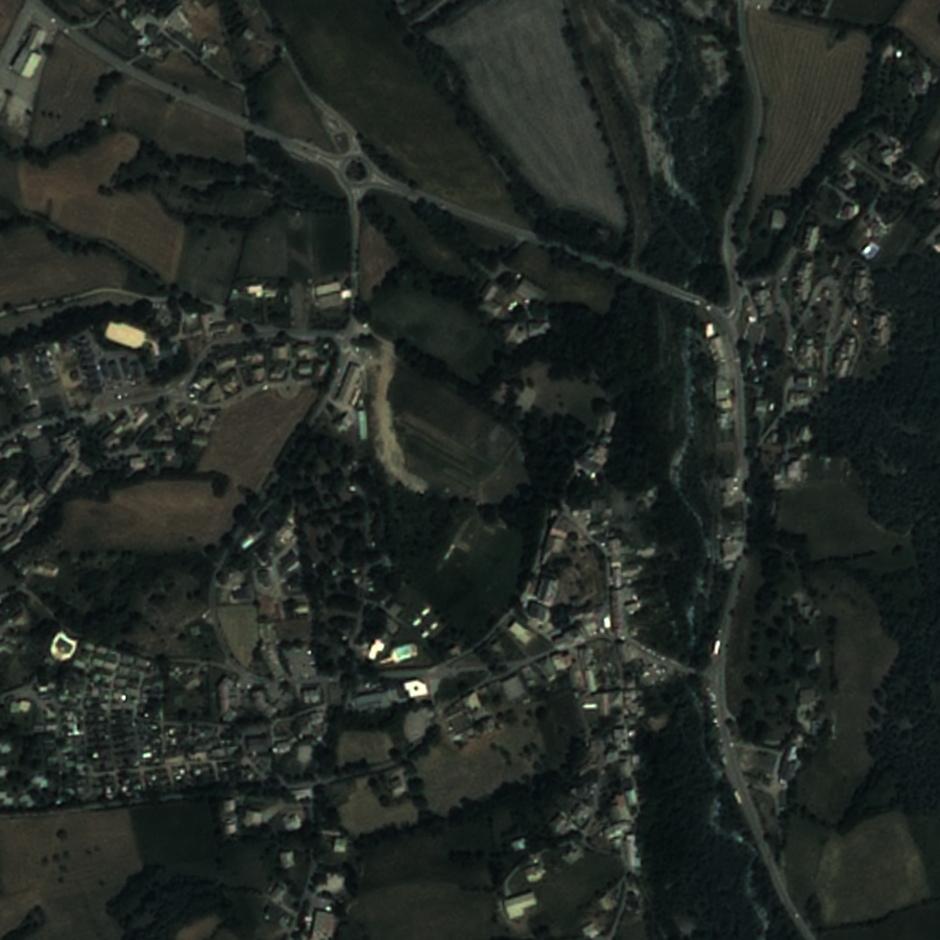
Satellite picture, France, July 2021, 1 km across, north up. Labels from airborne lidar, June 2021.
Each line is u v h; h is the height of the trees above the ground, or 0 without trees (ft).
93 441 28
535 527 48
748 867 32
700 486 29
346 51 0
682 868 62
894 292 24
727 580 33
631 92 0
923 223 30
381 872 0
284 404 0
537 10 0
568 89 0
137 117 0
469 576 0
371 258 0
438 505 32
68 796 33
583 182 0
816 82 0
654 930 30
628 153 0
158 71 0
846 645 0
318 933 0
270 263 0
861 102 19
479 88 0
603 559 37
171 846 0
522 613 53
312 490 44
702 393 55
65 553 32
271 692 0
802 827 0
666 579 31
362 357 0
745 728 28
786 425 23
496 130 0
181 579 0
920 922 0
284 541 0
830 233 38
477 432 0
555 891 0
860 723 0
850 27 24
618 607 0
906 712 40
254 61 0
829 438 26
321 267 0
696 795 44
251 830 25
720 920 44
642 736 34
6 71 0
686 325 23
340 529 56
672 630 20
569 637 0
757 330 0
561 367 40
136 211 0
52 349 0
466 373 0
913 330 31
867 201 20
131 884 46
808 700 0
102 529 0
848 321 0
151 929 33
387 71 0
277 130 0
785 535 47
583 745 52
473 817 51
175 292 32
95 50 0
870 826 0
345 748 0
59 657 0
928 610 34
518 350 38
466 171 0
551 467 63
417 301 0
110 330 0
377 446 0
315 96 0
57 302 25
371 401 0
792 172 0
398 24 51
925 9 0
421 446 0
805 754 43
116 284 0
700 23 31
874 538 0
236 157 0
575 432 34
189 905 53
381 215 58
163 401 40
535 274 0
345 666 54
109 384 0
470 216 0
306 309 0
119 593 26
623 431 68
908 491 43
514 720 28
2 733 32
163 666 33
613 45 0
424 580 0
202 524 0
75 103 0
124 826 0
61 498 21
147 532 0
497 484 0
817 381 0
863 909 0
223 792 32
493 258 45
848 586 0
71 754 24
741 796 0
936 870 0
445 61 38
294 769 0
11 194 0
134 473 19
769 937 38
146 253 0
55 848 0
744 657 0
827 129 0
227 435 0
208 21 0
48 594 36
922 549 29
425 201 48
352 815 0
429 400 0
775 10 17
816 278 0
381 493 31
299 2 0
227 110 0
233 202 0
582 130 0
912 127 27
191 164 40
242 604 0
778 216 0
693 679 44
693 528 19
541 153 0
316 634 31
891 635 26
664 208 37
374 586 46
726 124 57
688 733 29
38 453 0
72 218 0
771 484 31
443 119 0
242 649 0
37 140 0
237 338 0
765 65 0
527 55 0
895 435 32
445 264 0
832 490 0
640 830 26
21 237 0
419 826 22
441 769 0
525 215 45
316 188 32
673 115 21
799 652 27
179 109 0
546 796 52
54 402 0
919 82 0
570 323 73
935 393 33
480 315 22
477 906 0
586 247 35
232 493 0
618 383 62
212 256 0
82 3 0
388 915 0
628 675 34
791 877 0
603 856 0
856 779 0
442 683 0
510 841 18
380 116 0
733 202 35
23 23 0
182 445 23
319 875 30
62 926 0
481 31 0
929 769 35
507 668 35
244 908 0
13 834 0
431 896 0
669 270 26
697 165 19
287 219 0
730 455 0
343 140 0
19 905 0
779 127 0
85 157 0
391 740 0
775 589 22
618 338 52
